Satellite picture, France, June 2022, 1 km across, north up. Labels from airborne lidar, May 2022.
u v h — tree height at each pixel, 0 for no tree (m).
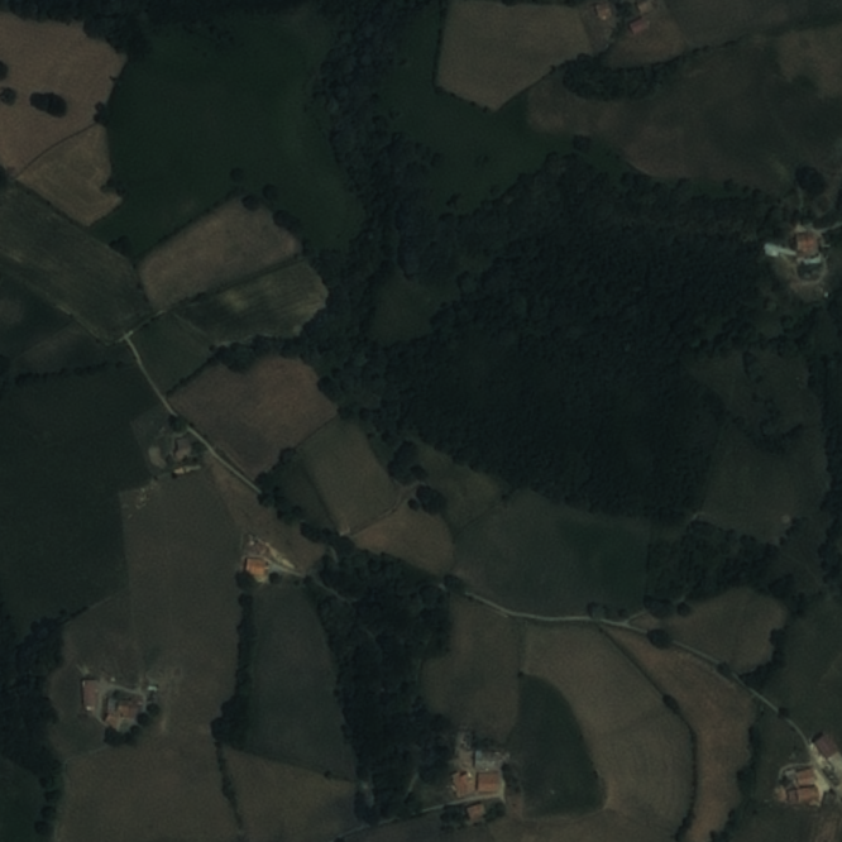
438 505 21
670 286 12
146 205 0
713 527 13
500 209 14
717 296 14
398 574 19
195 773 0
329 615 16
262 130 0
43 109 17
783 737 0
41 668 20
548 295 11
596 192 16
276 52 0
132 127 0
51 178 0
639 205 13
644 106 0
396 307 0
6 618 14
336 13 12
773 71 0
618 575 0
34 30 0
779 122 0
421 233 23
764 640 0
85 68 0
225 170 0
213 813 0
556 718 0
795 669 0
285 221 18
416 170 19
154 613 0
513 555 0
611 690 0
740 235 21
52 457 0
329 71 19
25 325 0
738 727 0
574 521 0
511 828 0
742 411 0
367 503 0
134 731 11
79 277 0
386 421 21
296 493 0
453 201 13
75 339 0
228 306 0
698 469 7
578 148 18
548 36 0
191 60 0
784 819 0
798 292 0
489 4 0
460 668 0
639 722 0
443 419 15
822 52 0
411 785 0
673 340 15
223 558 0
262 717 0
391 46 14
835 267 0
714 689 0
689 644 0
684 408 8
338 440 0
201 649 0
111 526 0
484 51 0
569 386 7
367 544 0
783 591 12
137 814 0
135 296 0
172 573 0
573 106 0
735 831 14
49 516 0
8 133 0
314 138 0
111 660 0
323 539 14
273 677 0
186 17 12
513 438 17
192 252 0
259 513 0
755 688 9
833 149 0
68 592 0
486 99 0
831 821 0
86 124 0
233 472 0
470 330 15
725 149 0
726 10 0
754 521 0
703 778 0
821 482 0
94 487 0
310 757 0
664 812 0
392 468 15
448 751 15
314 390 0
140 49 7
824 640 0
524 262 19
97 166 0
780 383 0
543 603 0
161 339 0
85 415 0
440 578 0
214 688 0
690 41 0
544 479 12
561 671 0
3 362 14
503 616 0
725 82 0
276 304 0
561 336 17
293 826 0
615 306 16
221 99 0
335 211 0
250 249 0
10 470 0
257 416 0
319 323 21
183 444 0
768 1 0
